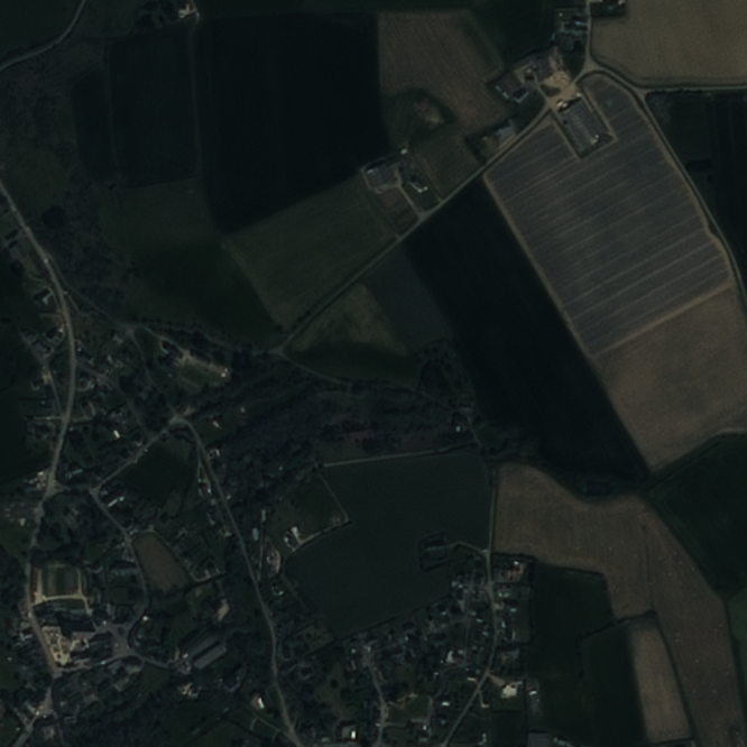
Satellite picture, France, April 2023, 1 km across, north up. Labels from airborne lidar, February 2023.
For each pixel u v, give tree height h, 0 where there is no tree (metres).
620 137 0
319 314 0
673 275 0
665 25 0
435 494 0
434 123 0
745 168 0
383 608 0
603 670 0
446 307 0
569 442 0
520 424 0
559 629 0
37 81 0
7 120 0
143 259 0
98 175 0
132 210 0
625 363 0
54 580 0
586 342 0
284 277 0
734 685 0
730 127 0
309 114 0
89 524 7
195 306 0
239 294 0
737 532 0
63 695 5
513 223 0
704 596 0
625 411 0
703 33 0
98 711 0
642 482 0
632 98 0
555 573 0
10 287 0
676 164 0
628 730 0
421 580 0
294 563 0
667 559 0
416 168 0
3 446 0
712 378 0
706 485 0
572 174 0
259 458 11
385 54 0
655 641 0
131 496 10
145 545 0
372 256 0
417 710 0
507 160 0
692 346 0
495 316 0
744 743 0
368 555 0
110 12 0
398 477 0
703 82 0
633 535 0
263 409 0
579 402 0
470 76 0
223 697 13
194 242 0
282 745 14
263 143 0
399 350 0
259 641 14
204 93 0
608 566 0
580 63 0
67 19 0
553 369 0
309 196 0
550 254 0
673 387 0
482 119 0
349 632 0
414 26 0
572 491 0
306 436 12
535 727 0
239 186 0
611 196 0
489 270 0
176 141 0
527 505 0
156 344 0
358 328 0
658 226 0
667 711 0
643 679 0
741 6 0
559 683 0
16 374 0
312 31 0
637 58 0
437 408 7
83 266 8
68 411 0
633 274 0
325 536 0
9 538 0
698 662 0
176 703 7
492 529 0
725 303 0
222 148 0
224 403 15
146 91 0
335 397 0
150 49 0
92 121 0
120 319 14
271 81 0
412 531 0
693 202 0
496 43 0
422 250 0
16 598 9
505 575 0
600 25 0
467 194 0
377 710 10
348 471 0
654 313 0
